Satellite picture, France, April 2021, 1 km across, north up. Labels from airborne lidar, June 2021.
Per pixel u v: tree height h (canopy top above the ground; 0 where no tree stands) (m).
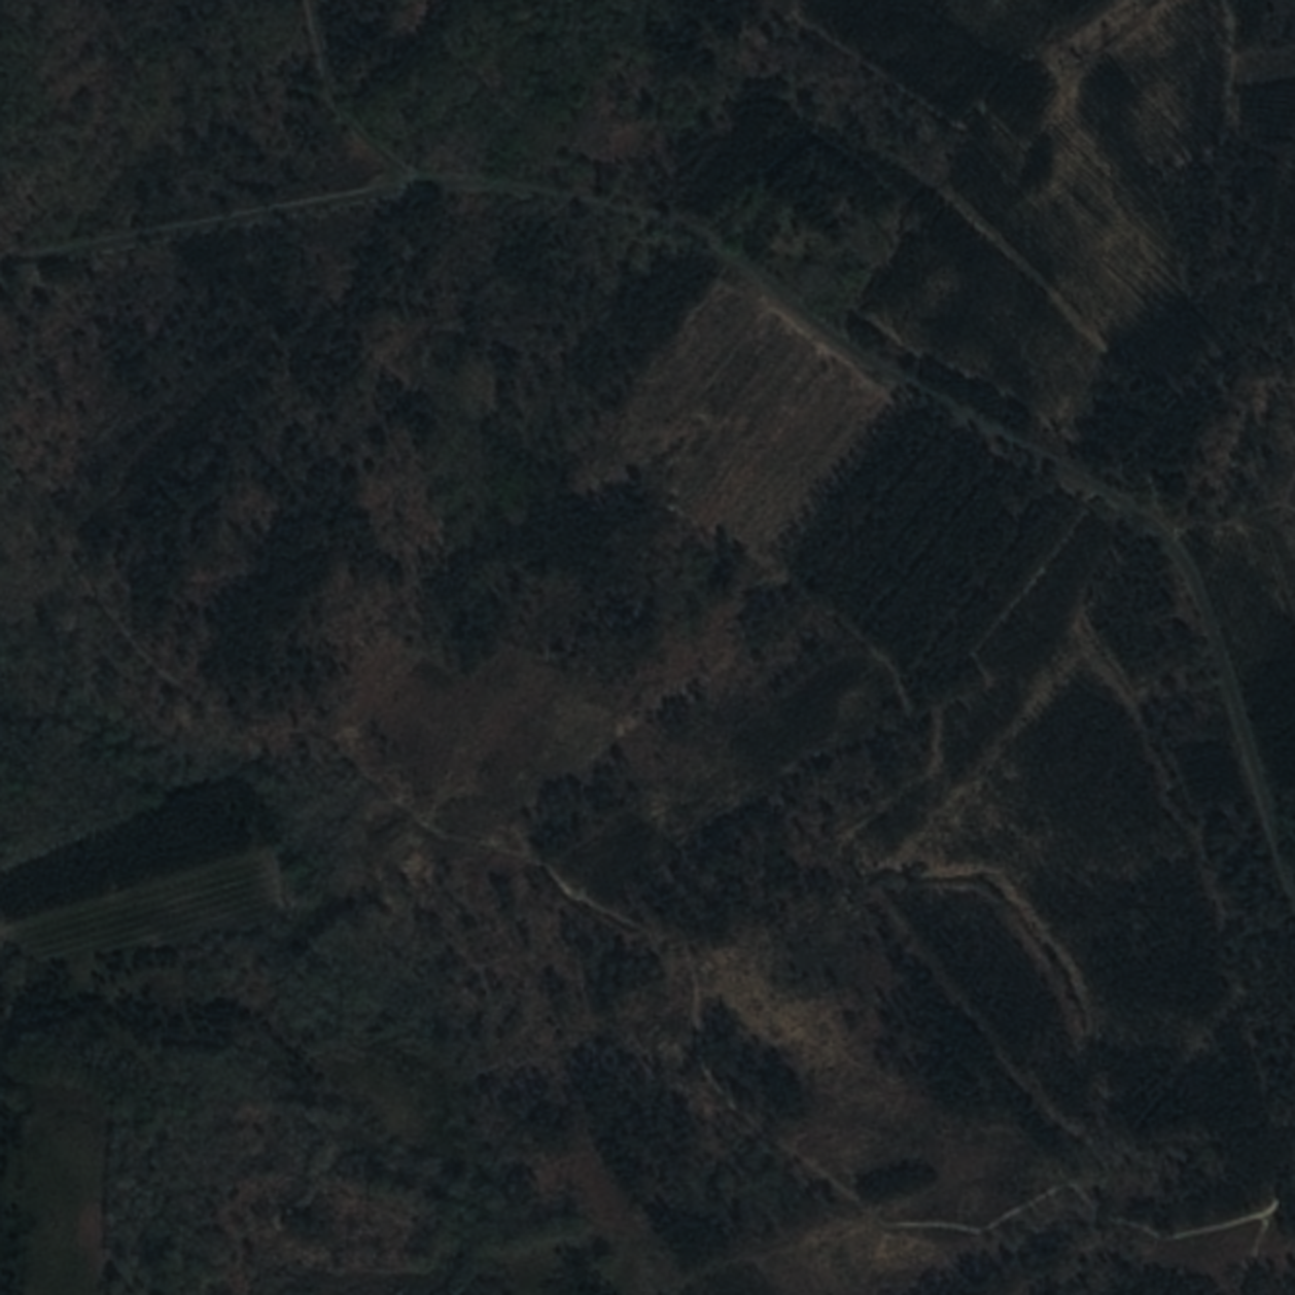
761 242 12
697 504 0
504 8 10
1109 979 10
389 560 7
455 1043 27
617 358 19
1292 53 0
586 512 16
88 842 11
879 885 8
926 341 6
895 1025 15
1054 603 12
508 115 16
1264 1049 17
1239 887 18
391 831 8
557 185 11
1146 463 11
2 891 12
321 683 16
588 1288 8
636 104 9
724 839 13
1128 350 7
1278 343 16
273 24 12
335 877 17
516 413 19
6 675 24
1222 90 7
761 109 9
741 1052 23
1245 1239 0
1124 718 11
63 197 11
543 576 18
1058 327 6
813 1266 0
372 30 7
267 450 7
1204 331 9
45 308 20
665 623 30
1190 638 20
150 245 12
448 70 14
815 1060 0
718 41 10
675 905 20
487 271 6
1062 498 13
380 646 16
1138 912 10
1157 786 10
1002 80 10
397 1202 15
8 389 11
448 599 19
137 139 13
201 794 12
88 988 0
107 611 10
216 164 20
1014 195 7
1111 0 8
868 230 13
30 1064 30
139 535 7
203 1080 19
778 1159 13
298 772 16
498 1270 9
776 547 0
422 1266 23
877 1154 0
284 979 16
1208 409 15
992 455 16
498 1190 17
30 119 17
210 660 11
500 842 0
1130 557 18
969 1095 19
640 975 25
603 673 28
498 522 16
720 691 21
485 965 10
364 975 19
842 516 17
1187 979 12
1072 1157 11
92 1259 0
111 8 7
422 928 8
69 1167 0
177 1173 20
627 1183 22
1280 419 18
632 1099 23
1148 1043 9
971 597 18
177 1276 21
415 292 16
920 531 17
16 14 11
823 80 7
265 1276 12
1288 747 8
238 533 19
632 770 22
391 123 14
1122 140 8
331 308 6
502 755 0
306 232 5
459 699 0
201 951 9
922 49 7
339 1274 10
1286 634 7
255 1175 7
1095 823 10
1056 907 9
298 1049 8
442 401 12
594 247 9
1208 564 9
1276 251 9
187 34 9
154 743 15
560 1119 24
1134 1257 9
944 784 9
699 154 15
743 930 12
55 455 13
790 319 0
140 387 15
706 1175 11
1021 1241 15
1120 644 16
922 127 12
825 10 9
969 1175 0
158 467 9
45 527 12
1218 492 7
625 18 18
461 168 14
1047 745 10
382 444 19
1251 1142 12
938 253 6
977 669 16
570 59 15
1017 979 11
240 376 7
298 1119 12
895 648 14
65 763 20
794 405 0
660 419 0
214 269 9
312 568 17
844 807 9
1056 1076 13
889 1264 0
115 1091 28
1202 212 16
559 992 24
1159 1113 12
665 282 17
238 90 9
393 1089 0
